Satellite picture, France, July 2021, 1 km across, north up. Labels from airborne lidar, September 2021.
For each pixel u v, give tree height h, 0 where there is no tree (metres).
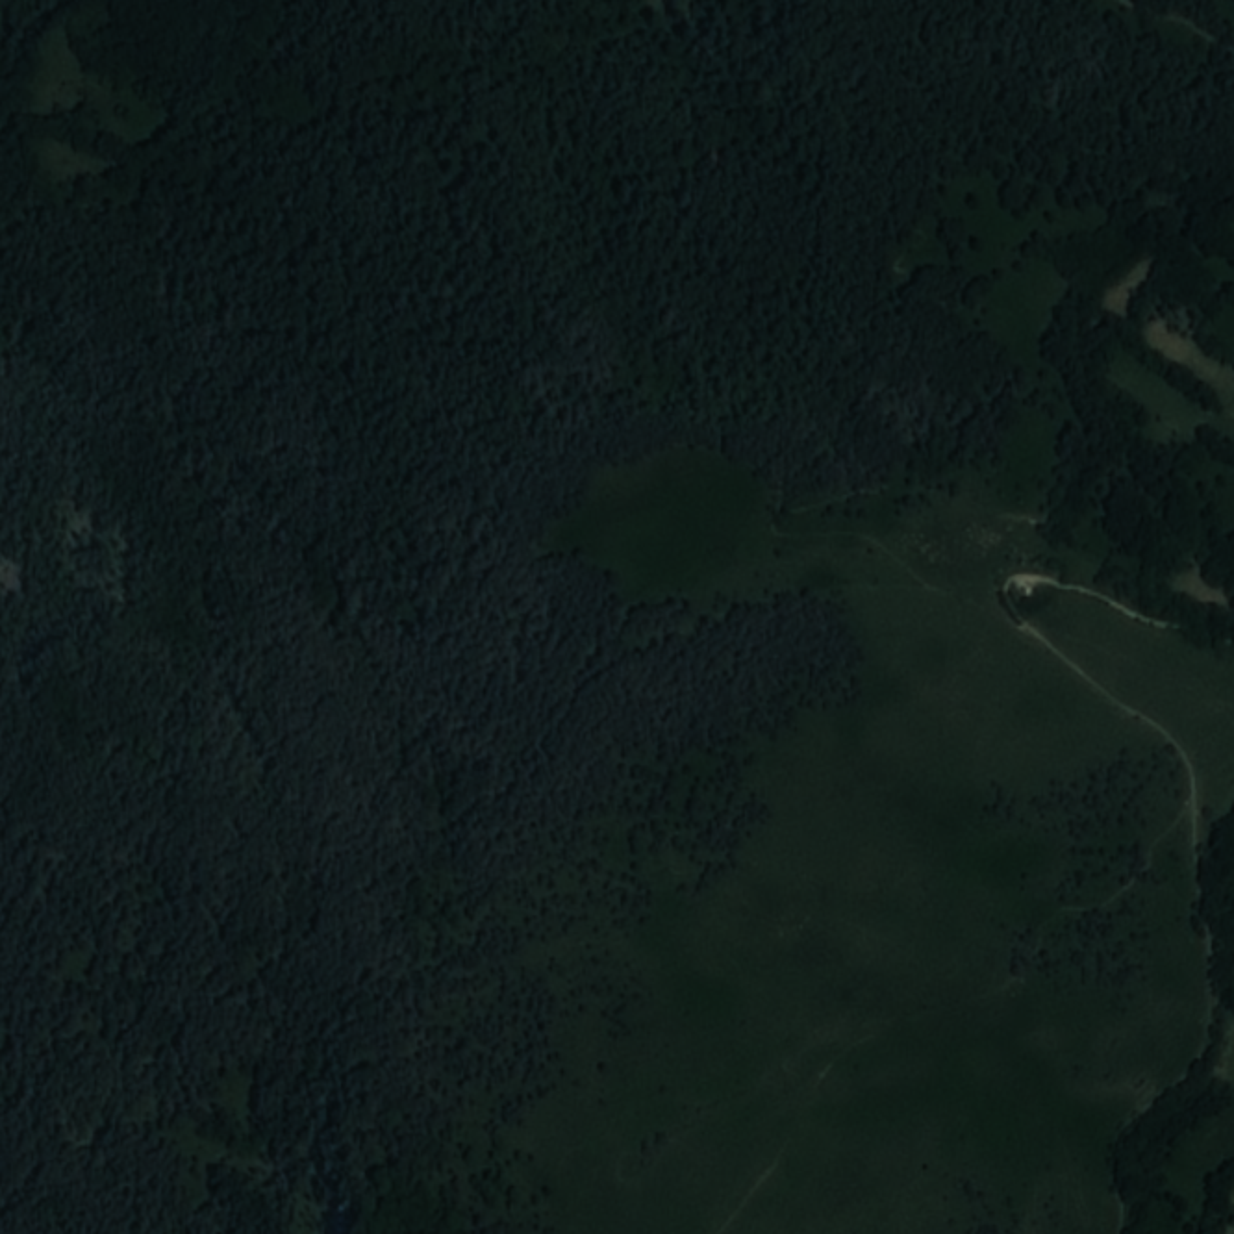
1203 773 0
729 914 0
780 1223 0
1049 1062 0
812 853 0
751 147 11
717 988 0
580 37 9
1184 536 18
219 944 21
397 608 11
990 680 0
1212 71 16
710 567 0
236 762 23
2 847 16
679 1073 0
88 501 16
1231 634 12
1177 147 22
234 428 24
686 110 25
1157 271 15
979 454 8
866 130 21
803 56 20
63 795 20
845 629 10
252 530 28
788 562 0
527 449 17
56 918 18
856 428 16
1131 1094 0
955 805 0
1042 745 0
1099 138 18
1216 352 19
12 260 19
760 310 25
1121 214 18
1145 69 23
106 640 18
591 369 20
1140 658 0
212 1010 20
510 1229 15
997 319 0
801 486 12
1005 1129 0
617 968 0
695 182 12
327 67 18
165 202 11
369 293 23
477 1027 10
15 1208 18
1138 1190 28
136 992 19
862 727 0
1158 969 0
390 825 16
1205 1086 20
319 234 24
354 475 28
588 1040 0
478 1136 0
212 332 23
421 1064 14
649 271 22
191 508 21
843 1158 0
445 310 25
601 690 14
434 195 21
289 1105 19
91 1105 21
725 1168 0
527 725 16
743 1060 0
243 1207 23
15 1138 17
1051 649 0
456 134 17
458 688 19
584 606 13
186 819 20
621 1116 0
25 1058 16
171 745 19
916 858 0
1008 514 0
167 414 28
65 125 17
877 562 0
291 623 24
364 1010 19
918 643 0
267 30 23
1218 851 16
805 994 0
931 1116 0
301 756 20
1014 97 21
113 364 23
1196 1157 0
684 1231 0
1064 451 16
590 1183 0
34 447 19
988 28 20
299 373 27
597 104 19
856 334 16
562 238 15
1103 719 0
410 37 20
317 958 12
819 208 18
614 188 11
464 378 25
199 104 18
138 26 23
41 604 19
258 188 25
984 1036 0
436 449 22
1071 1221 0
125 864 9
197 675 29
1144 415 15
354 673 17
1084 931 7
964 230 14
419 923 10
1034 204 18
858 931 0
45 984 21
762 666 10
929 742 0
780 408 9
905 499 8
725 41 27
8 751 17
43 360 26
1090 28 20
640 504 0
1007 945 0
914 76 19
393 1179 27
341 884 15
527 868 7
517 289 16
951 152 13
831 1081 0
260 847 18
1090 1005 0
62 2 15
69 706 14
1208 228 27
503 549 16
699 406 22
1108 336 19
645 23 7
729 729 10
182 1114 13
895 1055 0
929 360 21
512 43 21
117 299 25
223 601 31
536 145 23
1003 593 9
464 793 15
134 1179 16
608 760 9
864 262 19
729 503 0
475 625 16
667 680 11
